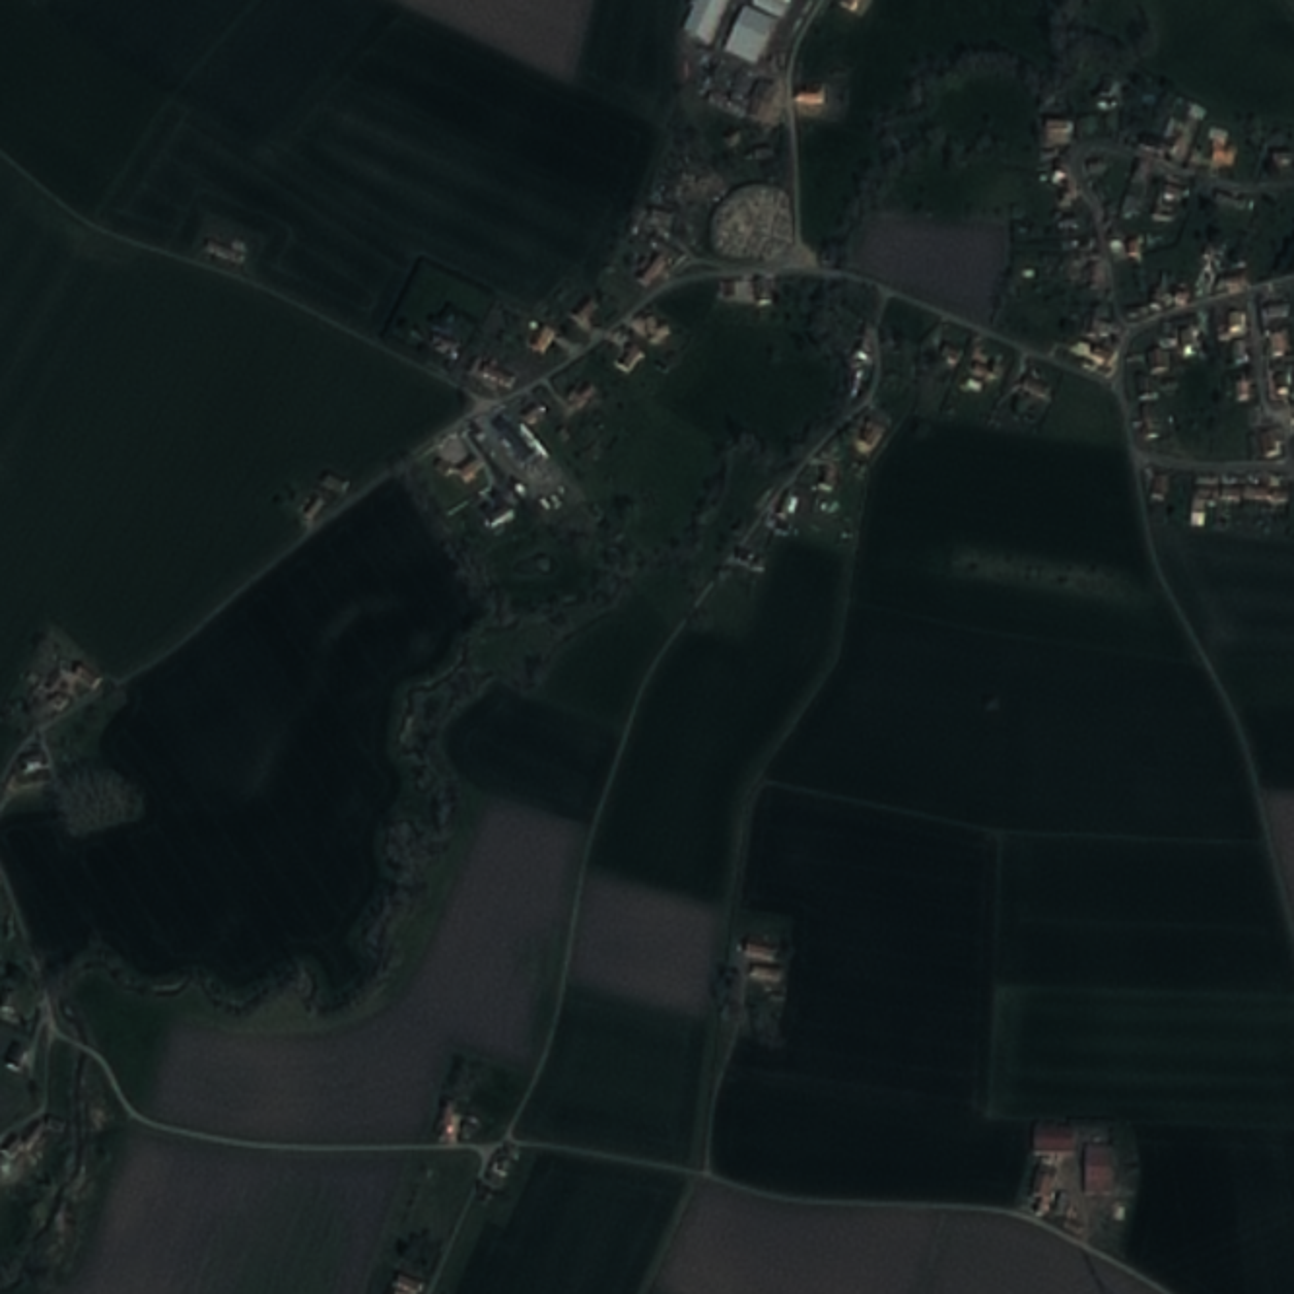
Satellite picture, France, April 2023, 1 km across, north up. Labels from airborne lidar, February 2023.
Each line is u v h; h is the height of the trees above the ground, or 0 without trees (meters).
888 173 11
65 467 0
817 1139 0
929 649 0
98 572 0
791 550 0
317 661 0
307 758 0
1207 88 0
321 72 0
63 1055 0
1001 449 0
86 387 0
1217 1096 0
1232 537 0
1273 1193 0
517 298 0
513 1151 9
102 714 9
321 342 0
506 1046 0
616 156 0
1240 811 0
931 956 0
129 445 0
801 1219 0
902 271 0
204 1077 0
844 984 0
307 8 0
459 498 0
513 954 0
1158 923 0
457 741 0
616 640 0
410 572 0
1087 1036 0
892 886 0
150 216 0
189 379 0
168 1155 0
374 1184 0
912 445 0
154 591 0
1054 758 0
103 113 0
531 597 0
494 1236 0
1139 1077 0
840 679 0
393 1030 0
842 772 0
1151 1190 0
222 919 0
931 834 0
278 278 0
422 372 0
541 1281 0
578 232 0
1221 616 0
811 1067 0
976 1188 0
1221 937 0
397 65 0
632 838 0
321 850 0
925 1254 0
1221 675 0
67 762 0
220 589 0
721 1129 0
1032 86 17
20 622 0
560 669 0
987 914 0
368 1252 0
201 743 0
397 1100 0
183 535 0
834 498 0
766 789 0
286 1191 0
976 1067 0
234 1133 0
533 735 0
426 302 0
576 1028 0
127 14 0
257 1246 0
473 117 0
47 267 0
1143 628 0
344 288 0
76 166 0
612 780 0
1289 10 0
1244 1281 0
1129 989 0
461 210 0
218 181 0
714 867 0
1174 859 0
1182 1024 0
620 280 0
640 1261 0
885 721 0
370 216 0
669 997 0
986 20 0
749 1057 0
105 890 0
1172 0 0
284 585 0
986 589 0
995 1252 0
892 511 0
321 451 0
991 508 0
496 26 0
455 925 0
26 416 0
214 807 0
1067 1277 0
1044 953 0
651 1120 0
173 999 0
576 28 0
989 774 0
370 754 0
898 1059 0
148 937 0
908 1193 0
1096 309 9
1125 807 0
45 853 0
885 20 0
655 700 0
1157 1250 0
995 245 0
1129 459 0
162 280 0
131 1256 0
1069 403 0
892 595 0
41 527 0
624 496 0
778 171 12
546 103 0
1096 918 0
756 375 0
